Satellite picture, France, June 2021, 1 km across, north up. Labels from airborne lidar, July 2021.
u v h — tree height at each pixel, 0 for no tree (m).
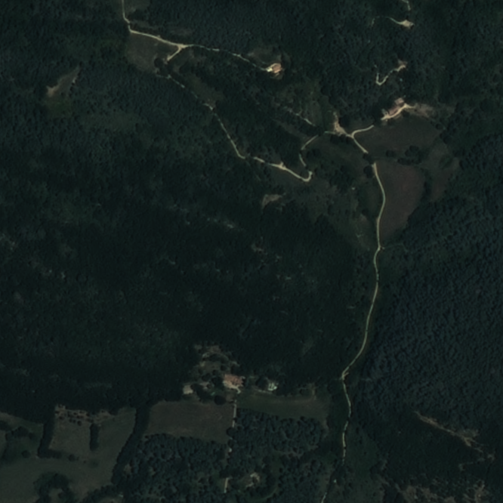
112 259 15
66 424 0
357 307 6
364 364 9
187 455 23
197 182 18
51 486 14
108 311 11
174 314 11
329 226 10
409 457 11
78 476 0
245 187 10
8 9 8
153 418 0
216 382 16
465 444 9
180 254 12
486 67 10
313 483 15
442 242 6
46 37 13
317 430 25
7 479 0
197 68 9
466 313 20
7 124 10
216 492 19
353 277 15
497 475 14
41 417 20
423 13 8
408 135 0
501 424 13
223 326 18
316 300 14
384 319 13
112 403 18
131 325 10
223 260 14
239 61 8
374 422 14
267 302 11
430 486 7
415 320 23
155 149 9
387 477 10
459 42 11
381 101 9
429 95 8
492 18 7
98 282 13
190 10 14
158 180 9
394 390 16
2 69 6
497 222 14
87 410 16
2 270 8
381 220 0
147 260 15
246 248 12
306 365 13
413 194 0
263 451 19
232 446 13
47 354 9
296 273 9
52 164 10
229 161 12
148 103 11
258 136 11
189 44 6
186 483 20
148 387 12
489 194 18
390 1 9
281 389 16
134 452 22
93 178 9
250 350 15
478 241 17
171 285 16
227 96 11
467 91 13
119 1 0
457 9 11
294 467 14
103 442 0
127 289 13
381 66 15
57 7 11
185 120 7
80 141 14
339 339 15
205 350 18
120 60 9
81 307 7
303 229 16
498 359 15
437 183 0
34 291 8
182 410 0
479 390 10
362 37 13
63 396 15
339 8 15
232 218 10
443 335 20
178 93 15
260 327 14
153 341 9
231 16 14
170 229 14
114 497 6
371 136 0
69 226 10
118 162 13
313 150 8
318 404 0
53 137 13
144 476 19
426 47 13
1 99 14
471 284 21
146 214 12
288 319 11
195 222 10
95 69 14
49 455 16
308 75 13
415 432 11
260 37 15
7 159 13
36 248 9
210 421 0
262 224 14
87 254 9
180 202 16
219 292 13
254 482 7
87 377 13
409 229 12
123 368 13
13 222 11
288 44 9
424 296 19
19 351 8
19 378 11
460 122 16
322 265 9
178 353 13
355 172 0
